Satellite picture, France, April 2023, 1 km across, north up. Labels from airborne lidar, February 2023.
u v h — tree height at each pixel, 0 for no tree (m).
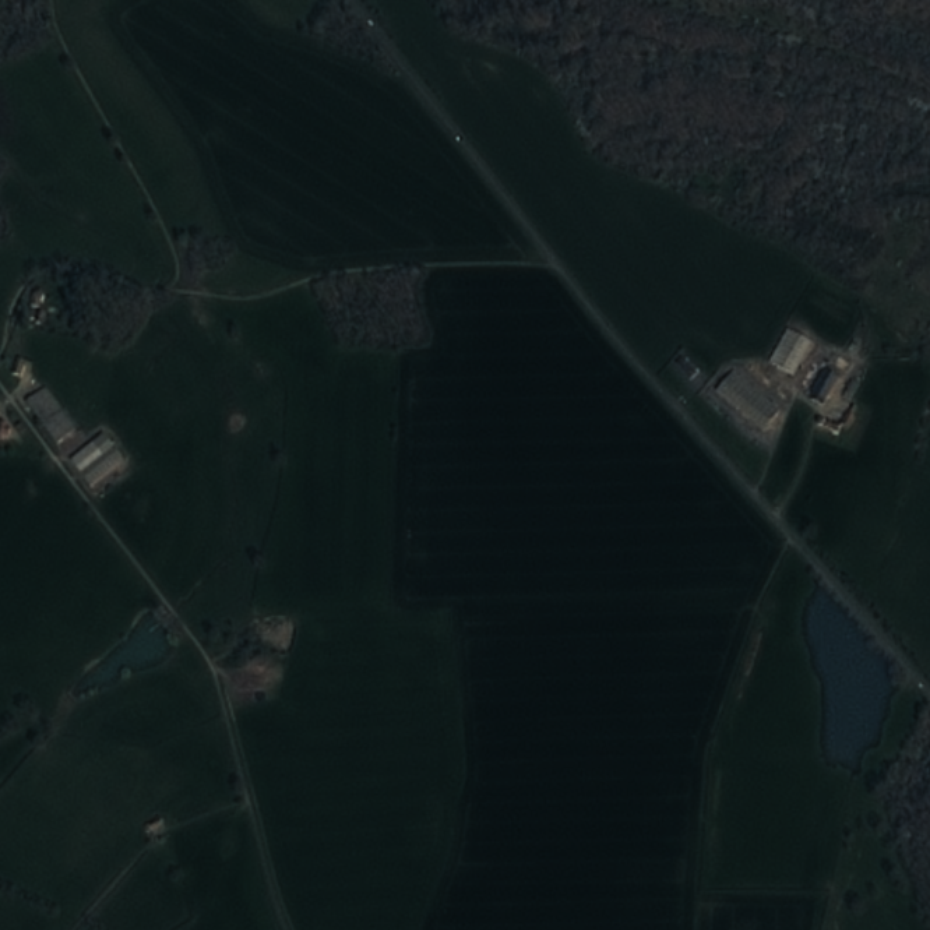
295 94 0
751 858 0
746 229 6
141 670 0
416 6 0
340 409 0
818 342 0
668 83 16
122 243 0
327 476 0
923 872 21
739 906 0
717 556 0
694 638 0
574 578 0
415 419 0
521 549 0
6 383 0
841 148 6
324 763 0
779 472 0
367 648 0
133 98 0
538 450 0
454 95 0
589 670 0
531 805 0
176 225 0
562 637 0
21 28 19
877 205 8
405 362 0
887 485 0
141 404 0
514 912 0
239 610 0
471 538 0
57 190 0
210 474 0
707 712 0
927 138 6
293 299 0
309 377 0
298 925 0
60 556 0
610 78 17
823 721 0
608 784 0
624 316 0
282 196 0
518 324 0
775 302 0
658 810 0
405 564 0
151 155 0
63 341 0
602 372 0
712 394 0
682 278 0
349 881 0
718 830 0
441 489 0
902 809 16
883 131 9
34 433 0
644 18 11
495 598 0
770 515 0
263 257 0
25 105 0
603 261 0
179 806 0
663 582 0
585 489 0
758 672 0
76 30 0
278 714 0
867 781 0
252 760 0
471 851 0
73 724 0
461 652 0
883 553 0
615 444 0
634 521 0
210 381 0
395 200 0
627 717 0
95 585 0
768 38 8
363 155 0
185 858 0
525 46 14
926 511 0
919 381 0
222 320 0
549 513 0
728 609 0
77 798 0
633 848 0
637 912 0
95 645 0
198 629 0
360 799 0
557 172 0
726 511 0
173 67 0
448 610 0
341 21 21
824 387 0
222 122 0
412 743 0
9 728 21
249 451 0
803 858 0
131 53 0
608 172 0
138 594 0
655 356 0
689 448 0
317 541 0
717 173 9
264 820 0
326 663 0
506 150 0
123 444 0
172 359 0
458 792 0
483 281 0
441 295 0
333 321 12
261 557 15
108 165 0
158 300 11
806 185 8
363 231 0
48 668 0
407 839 0
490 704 0
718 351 0
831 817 0
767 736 0
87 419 0
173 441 0
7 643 0
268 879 0
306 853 0
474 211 0
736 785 0
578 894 0
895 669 18
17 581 0
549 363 0
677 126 13
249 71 0
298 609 0
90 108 0
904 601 0
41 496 0
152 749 0
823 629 0
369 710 0
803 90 17
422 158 0
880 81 10
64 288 16
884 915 0
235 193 0
